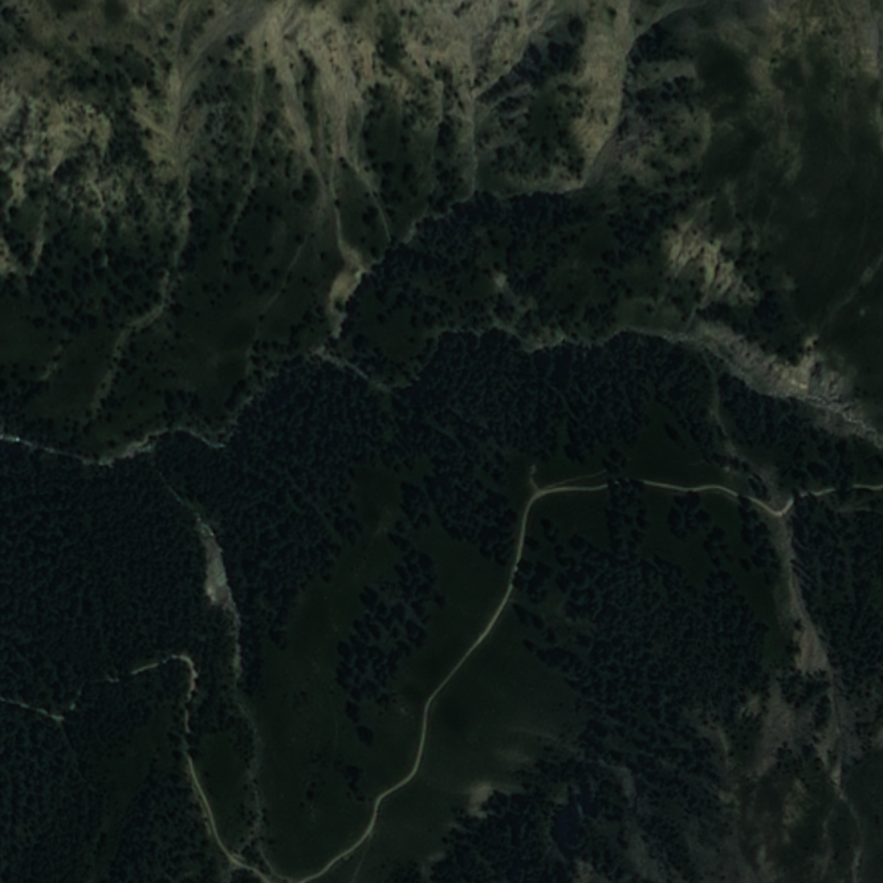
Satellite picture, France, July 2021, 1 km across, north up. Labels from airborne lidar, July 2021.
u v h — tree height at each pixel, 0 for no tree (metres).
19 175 0
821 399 0
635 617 11
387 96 0
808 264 0
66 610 25
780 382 0
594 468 0
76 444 16
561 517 0
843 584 17
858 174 0
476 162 0
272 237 0
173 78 0
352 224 0
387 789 0
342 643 0
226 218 15
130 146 8
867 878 0
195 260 12
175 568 15
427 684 0
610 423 28
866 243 0
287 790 0
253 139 0
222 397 0
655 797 8
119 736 8
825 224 0
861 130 0
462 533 32
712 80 0
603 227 0
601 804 11
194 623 10
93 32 0
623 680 13
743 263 10
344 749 0
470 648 0
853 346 0
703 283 0
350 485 20
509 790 0
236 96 11
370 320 0
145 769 0
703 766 8
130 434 10
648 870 0
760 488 23
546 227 8
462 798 0
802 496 24
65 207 11
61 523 9
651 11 0
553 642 18
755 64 0
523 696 0
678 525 19
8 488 20
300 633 0
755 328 8
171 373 7
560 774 11
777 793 0
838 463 24
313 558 29
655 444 0
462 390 19
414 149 0
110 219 8
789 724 0
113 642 8
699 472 0
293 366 13
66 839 10
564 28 0
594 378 26
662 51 6
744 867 0
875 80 0
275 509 26
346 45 0
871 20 0
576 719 0
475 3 0
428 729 0
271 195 0
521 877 18
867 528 12
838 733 0
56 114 0
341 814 0
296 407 28
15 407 11
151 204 0
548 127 0
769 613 0
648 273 0
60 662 14
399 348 0
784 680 6
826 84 0
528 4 0
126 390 0
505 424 10
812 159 0
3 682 16
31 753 14
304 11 0
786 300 0
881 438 0
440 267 15
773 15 0
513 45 0
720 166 0
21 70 0
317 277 0
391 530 0
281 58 0
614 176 0
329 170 0
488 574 0
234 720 14
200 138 0
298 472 25
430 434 31
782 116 0
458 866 11
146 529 14
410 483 0
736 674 10
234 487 22
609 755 16
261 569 21
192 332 0
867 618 10
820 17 0
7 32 0
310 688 0
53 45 0
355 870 0
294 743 0
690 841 0
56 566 12
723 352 0
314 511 23
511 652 0
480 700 0
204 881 8
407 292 10
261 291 14
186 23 0
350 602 0
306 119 0
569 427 0
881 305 0
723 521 0
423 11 0
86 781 7
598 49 0
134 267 16
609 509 0
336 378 26
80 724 17
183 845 18
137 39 0
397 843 0
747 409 18
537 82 8
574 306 14
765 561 19
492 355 19
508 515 21
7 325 0
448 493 27
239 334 0
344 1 0
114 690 17
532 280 10
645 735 10
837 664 9
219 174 0
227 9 0
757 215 0
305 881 0
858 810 0
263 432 16
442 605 21
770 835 0
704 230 0
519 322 7
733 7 0
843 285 0
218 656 18
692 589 17
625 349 10
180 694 18
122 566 9
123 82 12
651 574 19
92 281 26
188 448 14
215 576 0
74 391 0
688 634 12
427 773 0
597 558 20
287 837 0
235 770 0
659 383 17
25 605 17
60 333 0
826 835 0
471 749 0
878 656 8
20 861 10
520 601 0
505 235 0
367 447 27
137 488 12
